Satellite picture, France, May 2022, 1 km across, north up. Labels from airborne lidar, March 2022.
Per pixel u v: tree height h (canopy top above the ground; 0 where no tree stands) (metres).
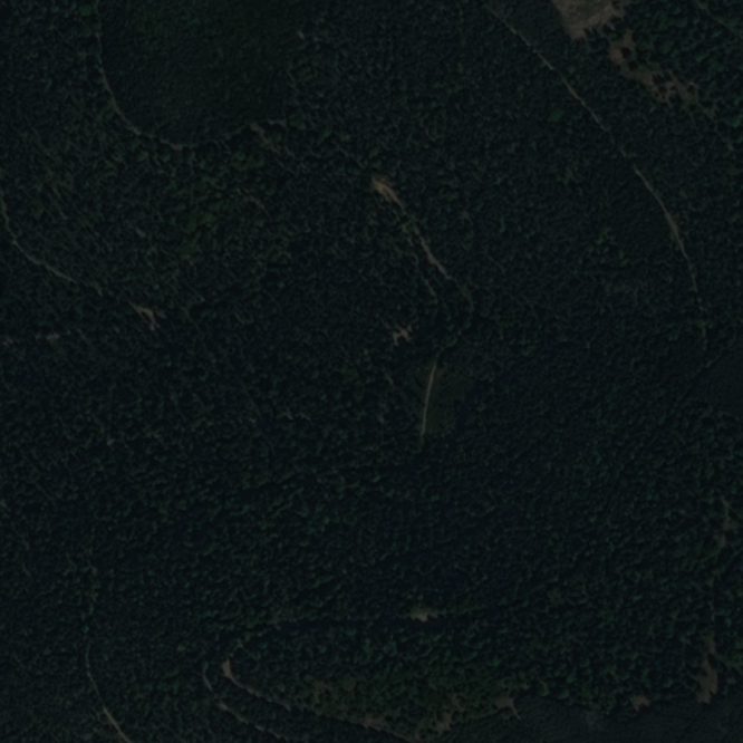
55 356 29
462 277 22
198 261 30
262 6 18
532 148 20
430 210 17
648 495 20
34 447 33
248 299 31
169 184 24
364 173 29
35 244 24
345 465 27
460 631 26
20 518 30
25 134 26
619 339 22
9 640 23
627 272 20
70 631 21
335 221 22
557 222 23
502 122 24
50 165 23
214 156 26
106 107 26
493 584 26
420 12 20
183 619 21
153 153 24
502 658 23
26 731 17
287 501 27
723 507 18
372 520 25
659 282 25
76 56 21
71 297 30
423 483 27
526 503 25
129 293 28
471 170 26
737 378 18
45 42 28
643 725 21
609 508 17
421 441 22
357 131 23
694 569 21
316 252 30
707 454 13
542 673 23
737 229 20
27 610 27
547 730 15
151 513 24
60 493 27
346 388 16
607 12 0
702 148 18
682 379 24
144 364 7
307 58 17
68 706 16
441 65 19
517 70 18
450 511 27
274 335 31
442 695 9
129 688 22
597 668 23
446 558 27
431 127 22
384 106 25
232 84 16
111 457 29
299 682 12
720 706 18
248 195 27
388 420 16
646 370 19
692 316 27
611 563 24
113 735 15
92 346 31
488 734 8
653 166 14
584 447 23
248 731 25
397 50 20
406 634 28
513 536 18
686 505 20
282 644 22
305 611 25
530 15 20
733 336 15
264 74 14
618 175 20
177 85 7
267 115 16
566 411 24
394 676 14
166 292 29
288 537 16
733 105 22
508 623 20
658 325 24
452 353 21
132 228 25
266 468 24
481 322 22
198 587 27
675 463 20
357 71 23
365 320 27
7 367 31
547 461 24
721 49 20
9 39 30
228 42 13
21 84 27
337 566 28
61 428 31
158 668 20
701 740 15
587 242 24
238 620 30
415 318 24
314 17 15
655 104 19
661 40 20
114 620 24
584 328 20
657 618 22
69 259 24
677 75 17
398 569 26
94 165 24
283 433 32
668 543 18
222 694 20
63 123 24
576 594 25
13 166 27
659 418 20
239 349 32
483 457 28
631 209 12
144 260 25
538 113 18
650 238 18
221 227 12
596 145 16
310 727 25
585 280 27
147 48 11
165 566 25
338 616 25
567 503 21
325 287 25
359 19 21
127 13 12
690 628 20
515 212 23
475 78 24
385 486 28
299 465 32
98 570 24
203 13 8
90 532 27
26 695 22
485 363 17
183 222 27
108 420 28
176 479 33
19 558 27
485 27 19
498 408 26
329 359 29
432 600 30
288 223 28
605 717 17
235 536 28
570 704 16
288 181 30
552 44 18
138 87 13
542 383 20
